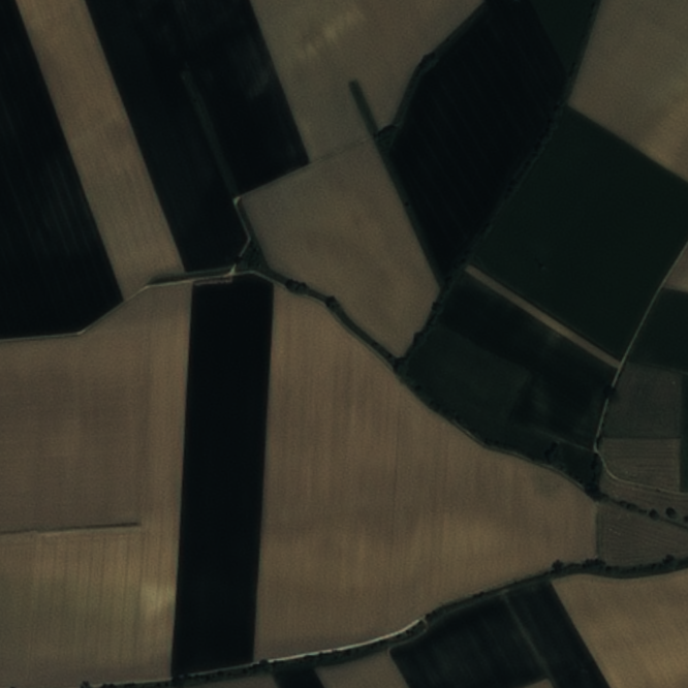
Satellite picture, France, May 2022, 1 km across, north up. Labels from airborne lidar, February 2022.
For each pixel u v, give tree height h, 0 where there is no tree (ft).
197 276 0
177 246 0
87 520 0
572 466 0
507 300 0
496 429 0
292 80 0
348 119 0
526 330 0
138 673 0
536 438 0
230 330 0
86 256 0
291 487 0
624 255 0
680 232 0
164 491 0
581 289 0
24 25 0
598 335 0
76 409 0
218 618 0
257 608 0
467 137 0
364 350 0
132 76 0
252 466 0
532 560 0
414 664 0
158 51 0
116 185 0
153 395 0
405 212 0
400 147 0
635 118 0
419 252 0
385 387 0
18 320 0
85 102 0
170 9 0
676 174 0
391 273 0
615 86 0
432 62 40
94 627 0
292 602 0
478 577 0
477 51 0
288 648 0
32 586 0
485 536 0
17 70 0
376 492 0
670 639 0
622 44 0
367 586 0
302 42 0
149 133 0
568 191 0
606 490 0
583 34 0
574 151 0
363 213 0
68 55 0
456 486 0
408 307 0
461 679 0
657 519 26
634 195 0
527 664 0
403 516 0
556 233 0
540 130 0
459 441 0
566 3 0
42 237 0
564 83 0
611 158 0
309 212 0
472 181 0
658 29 0
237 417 0
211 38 0
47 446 0
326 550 0
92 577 0
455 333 0
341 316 0
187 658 0
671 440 0
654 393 0
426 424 0
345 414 0
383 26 0
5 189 0
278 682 0
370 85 0
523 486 0
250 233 0
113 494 0
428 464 0
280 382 0
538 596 0
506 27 0
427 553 0
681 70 0
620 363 0
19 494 0
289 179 0
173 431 0
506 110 0
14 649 0
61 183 0
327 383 0
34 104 0
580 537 0
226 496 0
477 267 0
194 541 0
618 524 0
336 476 0
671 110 0
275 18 0
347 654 30
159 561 0
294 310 0
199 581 0
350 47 0
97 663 0
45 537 0
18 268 0
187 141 0
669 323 0
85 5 0
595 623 0
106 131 0
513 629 0
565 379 0
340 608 0
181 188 0
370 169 0
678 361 0
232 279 0
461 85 0
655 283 0
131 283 0
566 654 0
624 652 0
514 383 0
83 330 0
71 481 0
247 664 0
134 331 0
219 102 0
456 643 0
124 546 0
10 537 0
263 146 0
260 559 0
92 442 0
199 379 0
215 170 0
